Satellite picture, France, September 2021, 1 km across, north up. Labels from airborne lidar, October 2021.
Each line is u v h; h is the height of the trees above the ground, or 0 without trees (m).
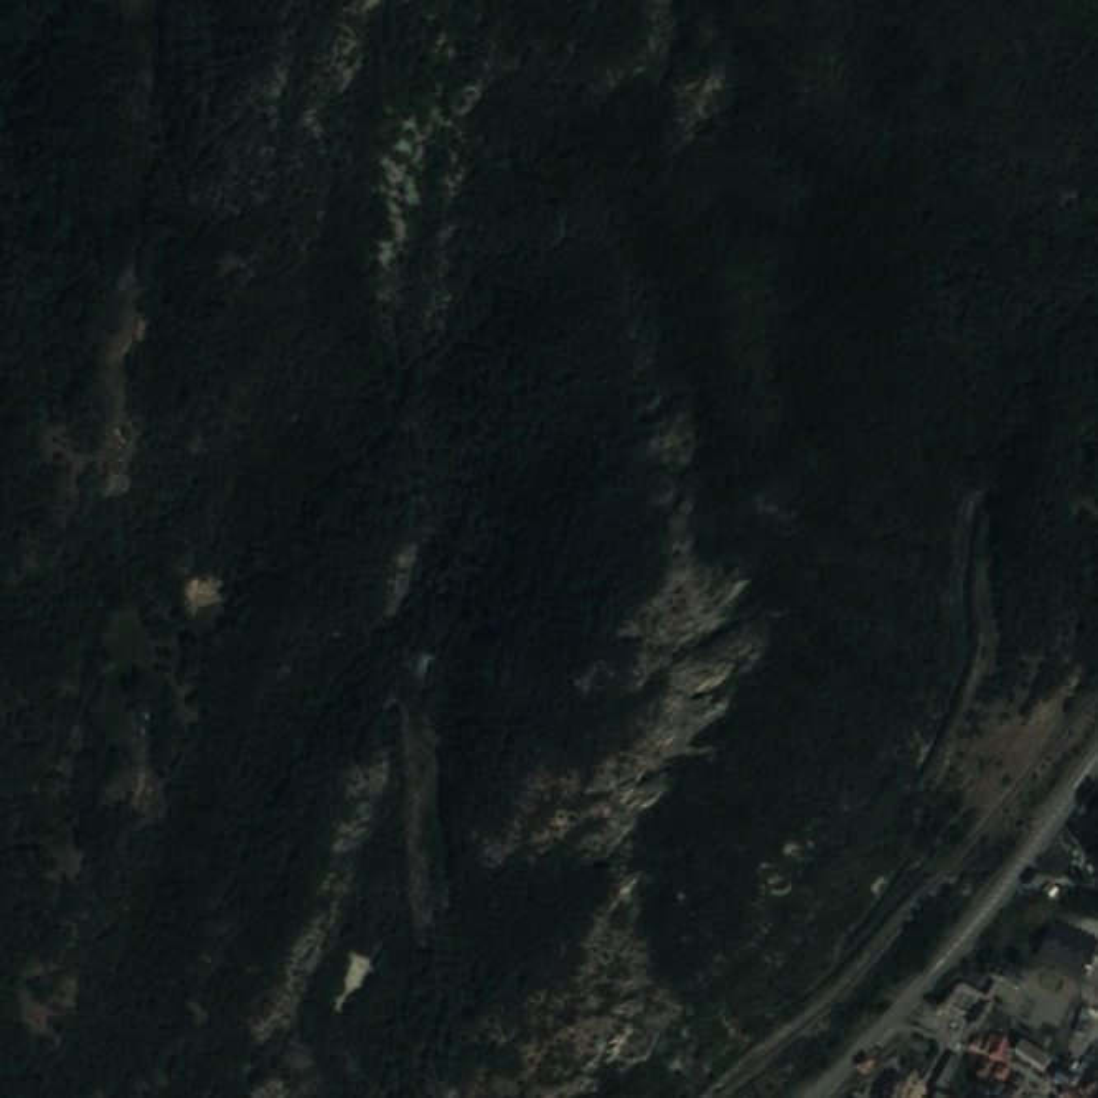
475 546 27
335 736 26
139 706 7
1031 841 0
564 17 19
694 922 9
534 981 10
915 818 7
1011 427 12
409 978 8
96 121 19
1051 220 12
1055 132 11
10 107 19
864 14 17
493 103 19
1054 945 0
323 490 18
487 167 19
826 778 11
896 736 7
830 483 14
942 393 16
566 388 17
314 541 23
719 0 19
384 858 17
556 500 24
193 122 16
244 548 12
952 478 17
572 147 19
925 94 13
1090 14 15
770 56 17
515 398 15
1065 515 14
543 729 14
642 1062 10
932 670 16
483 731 19
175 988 7
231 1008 15
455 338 15
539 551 21
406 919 15
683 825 12
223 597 7
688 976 9
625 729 7
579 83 10
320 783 21
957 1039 0
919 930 12
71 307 21
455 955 11
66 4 26
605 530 20
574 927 7
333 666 19
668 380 16
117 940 12
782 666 16
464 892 15
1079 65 10
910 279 17
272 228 15
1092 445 8
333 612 14
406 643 13
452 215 9
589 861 10
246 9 24
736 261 15
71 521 7
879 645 12
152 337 17
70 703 7
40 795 8
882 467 13
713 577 8
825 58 10
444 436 15
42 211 15
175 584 9
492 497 25
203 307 16
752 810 10
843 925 6
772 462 18
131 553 13
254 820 20
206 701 14
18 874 8
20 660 14
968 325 14
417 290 10
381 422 19
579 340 14
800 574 14
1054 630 9
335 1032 9
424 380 18
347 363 13
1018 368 18
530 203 23
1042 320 17
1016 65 12
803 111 13
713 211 19
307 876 16
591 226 13
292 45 10
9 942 7
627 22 19
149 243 12
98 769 20
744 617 9
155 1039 9
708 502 13
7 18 23
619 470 12
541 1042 6
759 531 14
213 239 18
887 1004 8
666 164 16
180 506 11
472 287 13
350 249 18
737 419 16
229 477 13
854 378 17
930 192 16
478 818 7
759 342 12
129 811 9
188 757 11
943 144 12
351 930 16
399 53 16
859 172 20
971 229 16
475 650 23
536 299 19
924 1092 0
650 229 23
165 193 12
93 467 7
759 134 12
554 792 6
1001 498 22
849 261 22
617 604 6
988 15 10
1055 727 0
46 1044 9
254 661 20
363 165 12
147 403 15
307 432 16
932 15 14
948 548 12
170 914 21
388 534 17
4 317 17
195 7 9
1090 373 16
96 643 14
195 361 17
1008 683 9
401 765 12
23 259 9
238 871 15
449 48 10
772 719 14
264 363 13
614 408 17
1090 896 7
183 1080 12
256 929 20
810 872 9
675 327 20
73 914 9
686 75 14
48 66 25
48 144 15
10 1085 12
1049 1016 0
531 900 13
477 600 26
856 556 13
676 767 12
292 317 16
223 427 8
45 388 14
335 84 8
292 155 10
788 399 18
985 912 0
